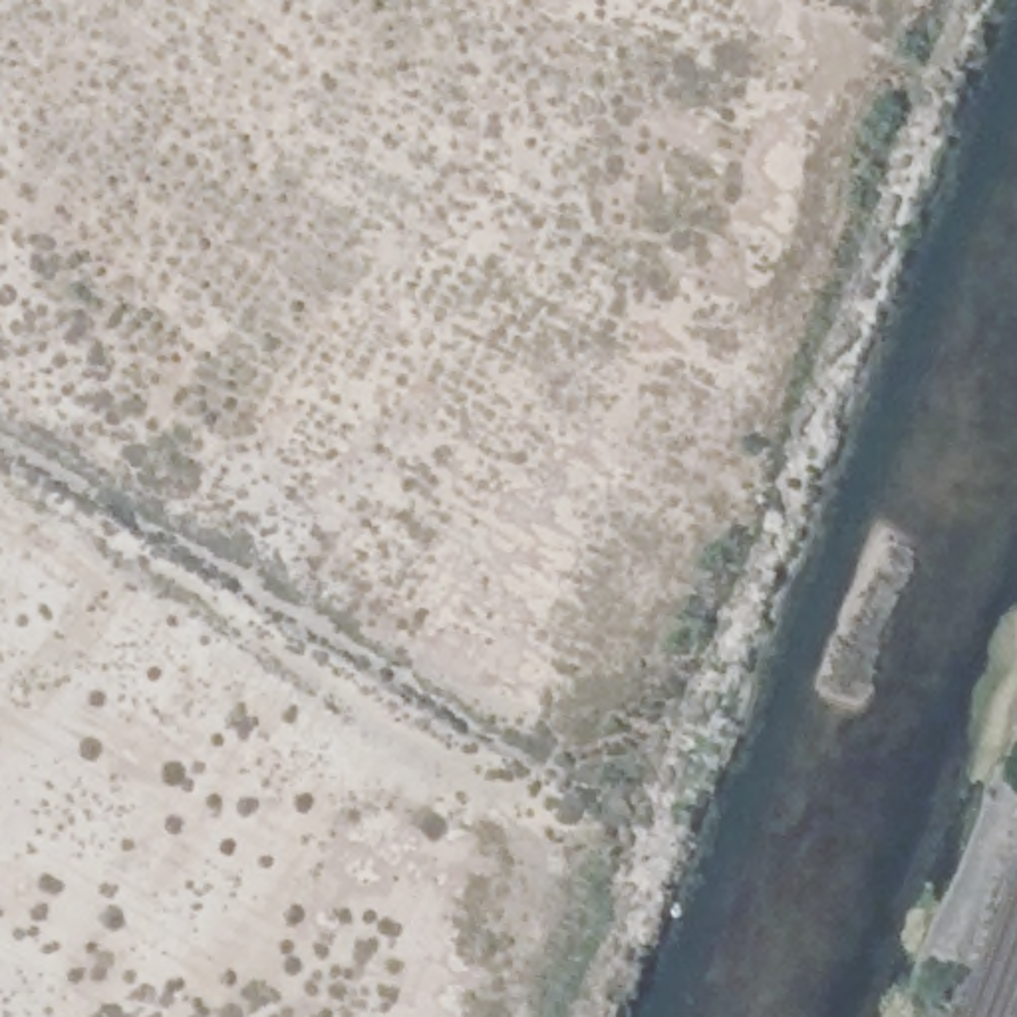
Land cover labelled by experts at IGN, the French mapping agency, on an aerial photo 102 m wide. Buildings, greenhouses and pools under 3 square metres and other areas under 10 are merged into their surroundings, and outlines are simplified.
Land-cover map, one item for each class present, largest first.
<instances>
[{"label":"pervious surface","instance_id":"1","mask_svg":"<svg viewBox=\"0 0 1017 1017\"><path fill-rule=\"evenodd\" d=\"M993 12V0H949L945 28L934 40L930 64H922L902 48L866 40L854 24V12L834 8L830 0H0V1017H465V993L489 985V969L465 965L457 953L453 906H461L465 882L481 874L493 886L509 890L505 918L489 922V930L516 938V957H536L544 949L548 930L564 914L560 874L580 870L596 854L604 830L596 818L564 822L556 810H548L552 799H560L556 783L528 795L520 779L493 783L489 771L505 767L501 751L465 755L461 735L453 727L385 691V659L369 655L365 644L338 632L326 616L314 612V604L330 596L358 620V628L369 640L405 648L409 659L421 663L429 683L457 691L489 715H505L516 731H532L540 719L544 687L572 691L592 675H620L636 655L648 604L691 596L699 552L715 544L727 528L743 524L747 509L763 501L767 489H779L787 501L779 509L783 528H763L759 544L747 556V576L735 588L731 608H723L719 616L715 640L727 659V671H699L691 683L695 691H731V683L743 675L747 636L759 628L763 592L775 580V564L787 556L795 532L802 528L810 469L826 465L834 449L838 393L850 385L870 338L878 310L890 302L894 274L902 266V234L914 218V199L926 187L934 159L942 151V111L957 103L965 52L981 40V20ZM886 91L910 95V123L902 127L890 151L886 187L878 191V207L858 242V266L850 270L830 334L814 358V381L806 385L802 405L795 409L787 465L779 481H767V457L747 453L743 437L763 433L767 417L783 405L787 365L802 342V326L814 310V298L830 278V258L850 218V147L866 111ZM28 421H44L103 469L127 445L155 441L167 429L183 425L195 441H203L195 457L203 473L199 489L175 497L167 512L191 516L195 524L215 528L218 536H250L254 552L270 560L282 556L286 580L298 588V604L278 600L262 588V580L250 568L187 536H175L179 548L195 552L203 564L218 572L238 576V592H226L187 572L183 564L159 556L151 544L119 528V520L103 512H83L72 501H60L56 493L20 477L16 457H28L32 465L48 469L72 489H87V481L75 469L44 457L32 445H20V429ZM485 818L509 834V846L516 854L512 878L497 870V858H485L477 850L473 834ZM663 723L671 727L663 767H679V755L695 747V739H715L719 747H731L735 743L723 735V715L707 723H679L663 715ZM655 822L636 826L632 866H624L612 882L616 922L596 949L572 1017H616V1009L628 1005V997L636 993L644 945L659 926L663 882L679 862V842L687 830L671 818L675 795L667 787L648 783ZM993 914L985 953L981 961L965 965V977L957 981L961 1001L949 1009V1017H1017V894L1005 906H989Z\"/></svg>","mask_w":1017,"mask_h":1017},{"label":"water","instance_id":"2","mask_svg":"<svg viewBox=\"0 0 1017 1017\"><path fill-rule=\"evenodd\" d=\"M942 151L934 159L926 187L914 199V218L902 234V266L894 274L890 302L878 310L870 338L882 346V365L870 373L866 397L854 409V453L846 457V469L834 481V501L822 509V536L806 552V564L795 576V592L783 604V624L771 640L767 675L755 683L751 719L735 743L731 747V759L715 771V787L695 799L687 830L679 842V862L663 882L659 926L644 945L636 993L628 997V1005L616 1009V1017H882V997L910 977V957L902 945L906 914L945 894L961 846L969 838L973 814L981 806V783L969 771L973 747L981 739V731L973 727V687L985 675L989 644L1001 616H1017V0H993V12L981 20V40L965 52L957 103L942 111ZM874 524H890L894 532L910 536L914 568L882 628L874 659V695L862 711H842L818 699L814 671Z\"/></svg>","mask_w":1017,"mask_h":1017},{"label":"brushwood","instance_id":"3","mask_svg":"<svg viewBox=\"0 0 1017 1017\"><path fill-rule=\"evenodd\" d=\"M834 8L854 12V24L866 40L902 48L922 64H930L934 40L945 28L949 0H830ZM910 123V95L886 91L866 111L850 147V218L830 258V278L814 298V310L802 326V342L787 365L783 405L767 417L763 433L743 437L747 453L767 457V481H779L787 465L795 409L802 405L806 385L814 381V358L830 334L850 270L858 266V242L878 207V191L886 187L890 151L902 127ZM882 365V346L870 338L850 385L838 393L834 449L826 465L810 469L802 528L795 532L787 556L775 564V580L763 592L759 628L747 636L743 675L731 683V691H695L691 683L699 671H727V659L715 640L719 616L723 608H731L735 588L747 576V556L759 544L763 528H783L779 509L787 501L779 489H767L763 501L747 509L743 524L727 528L715 544L699 552L691 596L648 604L636 655L620 675H592L572 691L544 687L540 719L532 731H516L505 715H489L457 691L429 683L421 663L409 659L405 648L369 640L358 628V620L330 596L314 604V612L326 616L338 632L365 644L369 655L385 659V691L453 727L461 735L465 755L501 751L505 767L489 771L493 783L520 779L528 795L556 783L560 799H552L548 810H556L564 822L596 818L604 830L596 854L580 870L560 874L564 914L548 930L544 949L536 957H516V938L489 930V922L505 918L509 890L493 886L481 874L465 882L461 906H453L457 953L465 965L489 969V985L465 993V1017H572L596 949L616 922L612 882L624 866H632L636 826L655 822L648 783L667 787L675 795L671 818L687 830L695 799L715 787V771L731 759V747H719L715 739H695V747L679 755V767H663L671 727L663 723V715L679 723H707L723 715V735L735 743L751 719L755 683L767 675L771 640L783 624V604L795 592V576L806 564V552L822 536V509L834 501V481L846 469V457L854 453V409L866 397L870 373ZM20 445H32L44 457L75 469L87 481V489H72L48 469L32 465L28 457H16L20 477L56 493L60 501H72L83 512H103L119 520V528L151 544L159 556L183 564L187 572L226 592H238V576L218 572L203 564L195 552L179 548L175 536H187L250 568L262 580V588L278 600L298 604V588L286 580L282 556L270 560L254 552L250 536H218L215 528L195 524L191 516L167 512L175 497L199 489L203 473L195 457L203 441H195L183 425L167 429L155 441L127 445L103 469L44 421H28L20 429ZM477 850L485 858H497V870L512 878L516 854L509 846V834L485 818L473 834ZM965 977V965L910 957V977L882 997V1017H949V1009L961 1001L957 981Z\"/></svg>","mask_w":1017,"mask_h":1017},{"label":"herbaceous vegetation","instance_id":"4","mask_svg":"<svg viewBox=\"0 0 1017 1017\"><path fill-rule=\"evenodd\" d=\"M914 568L910 536L894 532L890 524H874L814 671L818 699L842 711H862L874 695V659L882 628ZM973 727L981 731V739L973 747L969 771L981 783V806L973 814L969 838L961 846L945 894L906 914L902 945L910 957L965 965L981 961L985 953L993 914L989 906H1005L1017 894V616H1001L989 644L985 675L973 687Z\"/></svg>","mask_w":1017,"mask_h":1017}]
</instances>
